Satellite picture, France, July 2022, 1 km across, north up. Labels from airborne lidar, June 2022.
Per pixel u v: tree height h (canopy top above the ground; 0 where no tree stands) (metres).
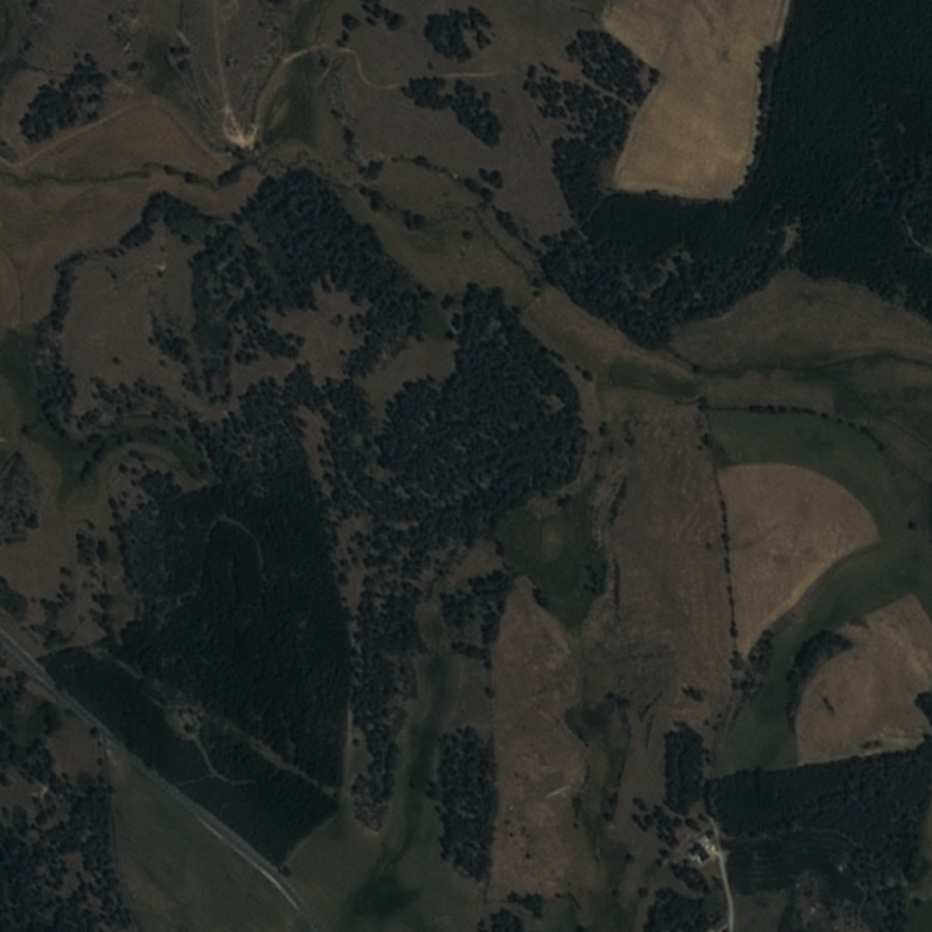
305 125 0
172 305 0
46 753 13
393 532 14
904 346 0
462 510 8
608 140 12
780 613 0
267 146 0
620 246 19
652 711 0
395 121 0
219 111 0
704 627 0
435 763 0
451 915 0
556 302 0
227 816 7
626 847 0
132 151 0
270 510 8
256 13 0
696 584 0
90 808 20
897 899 18
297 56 0
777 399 0
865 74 10
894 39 9
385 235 0
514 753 0
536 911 15
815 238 12
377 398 0
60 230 0
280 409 16
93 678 13
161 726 11
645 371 0
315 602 10
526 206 0
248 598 14
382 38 0
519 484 17
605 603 0
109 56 0
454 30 9
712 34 0
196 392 6
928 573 0
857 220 12
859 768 19
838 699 0
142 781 0
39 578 0
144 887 0
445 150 0
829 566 0
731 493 0
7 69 0
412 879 0
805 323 0
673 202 7
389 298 19
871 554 0
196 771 7
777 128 12
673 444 0
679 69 0
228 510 7
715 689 0
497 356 19
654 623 0
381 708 15
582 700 0
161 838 0
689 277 16
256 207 15
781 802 10
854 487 0
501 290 11
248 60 0
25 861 18
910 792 9
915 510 0
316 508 7
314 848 0
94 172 0
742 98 0
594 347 0
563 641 0
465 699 0
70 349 0
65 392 10
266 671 14
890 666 0
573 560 0
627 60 9
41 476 0
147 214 13
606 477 0
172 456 0
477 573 0
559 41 0
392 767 18
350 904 0
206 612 9
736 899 0
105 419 0
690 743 15
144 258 0
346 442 12
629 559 0
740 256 11
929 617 0
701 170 0
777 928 0
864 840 8
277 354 13
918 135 10
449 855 12
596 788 0
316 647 8
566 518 0
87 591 0
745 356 0
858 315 0
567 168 16
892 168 10
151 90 0
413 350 0
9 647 0
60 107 15
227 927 0
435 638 0
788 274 0
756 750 0
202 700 7
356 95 0
